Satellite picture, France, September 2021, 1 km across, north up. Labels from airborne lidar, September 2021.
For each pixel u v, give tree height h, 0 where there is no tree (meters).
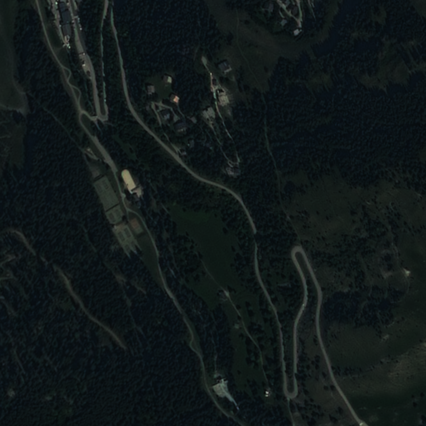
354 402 0
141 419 16
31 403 14
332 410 0
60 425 12
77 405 18
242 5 16
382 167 10
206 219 0
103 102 0
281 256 9
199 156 18
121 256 18
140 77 9
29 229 8
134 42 28
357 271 12
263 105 17
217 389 0
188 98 28
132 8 16
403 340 0
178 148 0
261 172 24
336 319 9
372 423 0
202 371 6
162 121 0
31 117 7
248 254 13
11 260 0
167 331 6
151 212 10
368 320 8
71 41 6
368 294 0
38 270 7
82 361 29
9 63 0
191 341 0
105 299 21
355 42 0
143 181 20
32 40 30
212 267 0
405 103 26
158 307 28
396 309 0
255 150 19
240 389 0
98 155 0
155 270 0
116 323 22
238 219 14
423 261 0
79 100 0
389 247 8
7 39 0
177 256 8
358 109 28
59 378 31
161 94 0
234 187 8
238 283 0
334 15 0
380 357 0
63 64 0
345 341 0
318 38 0
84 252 33
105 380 26
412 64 25
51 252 23
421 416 0
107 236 24
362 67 26
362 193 0
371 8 18
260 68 0
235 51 0
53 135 29
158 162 18
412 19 24
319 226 0
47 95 17
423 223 0
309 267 0
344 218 0
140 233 0
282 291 10
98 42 9
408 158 14
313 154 17
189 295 25
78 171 18
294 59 0
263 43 0
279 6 7
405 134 25
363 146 20
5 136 0
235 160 10
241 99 0
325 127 6
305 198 0
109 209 0
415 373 0
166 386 27
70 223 9
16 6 0
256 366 15
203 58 0
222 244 0
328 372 0
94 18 19
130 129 18
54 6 0
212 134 7
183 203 6
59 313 17
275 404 0
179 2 17
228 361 16
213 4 0
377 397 0
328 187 0
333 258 8
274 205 11
